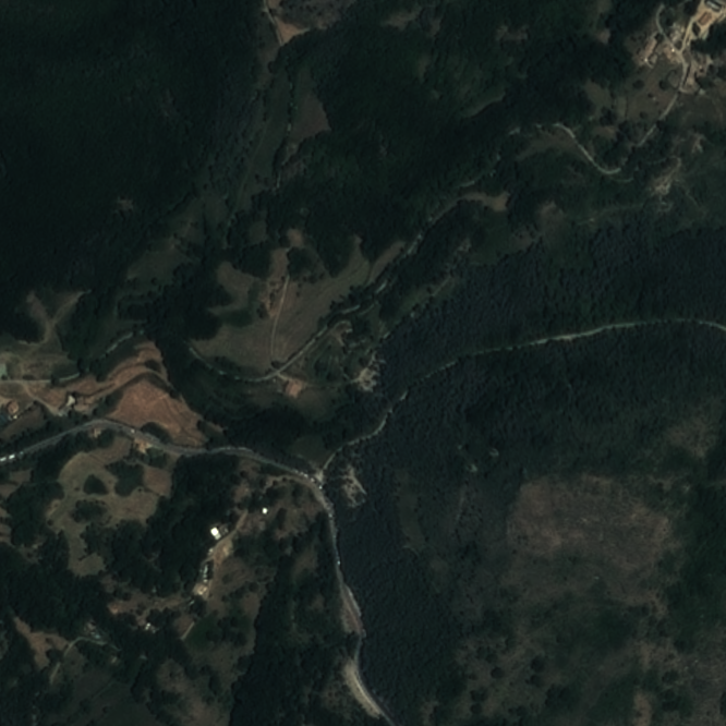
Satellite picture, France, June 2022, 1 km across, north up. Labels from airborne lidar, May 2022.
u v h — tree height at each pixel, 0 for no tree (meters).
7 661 10
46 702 12
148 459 12
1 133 17
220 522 8
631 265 17
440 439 7
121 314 8
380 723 11
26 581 12
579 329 10
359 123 11
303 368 0
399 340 12
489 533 0
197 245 10
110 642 8
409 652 11
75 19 12
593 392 6
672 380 6
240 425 19
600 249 13
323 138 14
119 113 12
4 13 9
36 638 0
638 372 7
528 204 13
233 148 8
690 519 11
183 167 17
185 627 0
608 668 0
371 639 12
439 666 8
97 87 14
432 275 8
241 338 0
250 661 14
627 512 0
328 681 6
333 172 9
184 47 24
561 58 25
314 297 0
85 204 20
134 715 0
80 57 14
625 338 13
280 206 12
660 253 20
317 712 10
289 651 11
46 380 0
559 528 0
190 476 10
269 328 0
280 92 0
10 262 19
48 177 18
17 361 0
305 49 13
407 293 12
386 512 16
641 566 0
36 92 13
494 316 15
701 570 13
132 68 13
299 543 21
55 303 0
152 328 11
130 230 16
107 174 16
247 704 18
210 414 14
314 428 9
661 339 9
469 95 7
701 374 6
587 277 13
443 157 24
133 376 0
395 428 9
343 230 9
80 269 15
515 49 9
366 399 10
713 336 14
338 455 7
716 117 0
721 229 6
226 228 12
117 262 14
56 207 17
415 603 11
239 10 14
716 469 13
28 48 22
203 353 0
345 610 0
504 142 16
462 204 15
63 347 7
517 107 30
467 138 22
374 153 11
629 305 13
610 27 18
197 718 0
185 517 11
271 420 18
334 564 10
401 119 19
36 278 12
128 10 25
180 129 7
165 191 18
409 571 11
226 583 0
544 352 13
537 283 15
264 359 0
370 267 0
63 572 13
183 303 11
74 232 16
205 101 20
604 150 10
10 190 18
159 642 16
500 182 12
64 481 0
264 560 7
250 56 12
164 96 10
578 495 0
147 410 0
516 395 11
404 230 11
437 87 15
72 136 13
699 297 20
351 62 19
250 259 15
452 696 14
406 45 15
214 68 18
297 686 7
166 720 13
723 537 7
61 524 0
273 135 0
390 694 11
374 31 12
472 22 12
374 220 13
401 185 17
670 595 6
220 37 16
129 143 13
